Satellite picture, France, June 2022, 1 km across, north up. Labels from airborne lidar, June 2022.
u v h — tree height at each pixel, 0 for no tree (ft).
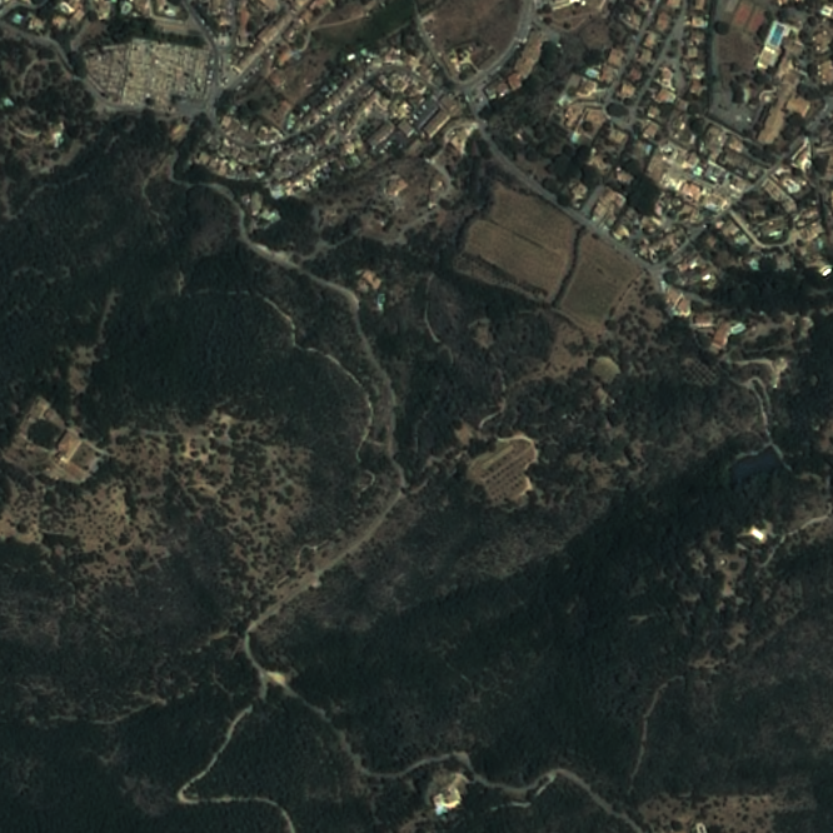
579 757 28
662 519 40
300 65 0
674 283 37
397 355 20
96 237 21
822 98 35
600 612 50
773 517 25
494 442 30
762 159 40
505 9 0
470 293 19
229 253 22
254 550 18
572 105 0
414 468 22
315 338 22
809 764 20
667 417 40
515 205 0
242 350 28
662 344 25
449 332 29
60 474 0
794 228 21
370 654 22
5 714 23
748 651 31
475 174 24
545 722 31
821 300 38
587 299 0
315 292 27
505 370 24
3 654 26
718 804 21
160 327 38
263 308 22
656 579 24
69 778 22
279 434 21
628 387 55
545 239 0
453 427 32
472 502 22
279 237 25
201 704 30
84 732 20
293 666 19
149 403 26
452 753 20
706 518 36
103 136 21
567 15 0
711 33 19
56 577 21
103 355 44
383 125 0
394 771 21
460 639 23
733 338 32
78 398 22
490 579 20
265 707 26
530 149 33
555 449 33
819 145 26
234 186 30
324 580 22
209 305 21
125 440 25
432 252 22
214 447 26
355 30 0
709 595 63
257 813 37
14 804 26
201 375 26
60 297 25
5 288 21
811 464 32
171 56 0
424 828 23
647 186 45
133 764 19
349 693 30
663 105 24
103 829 32
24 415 34
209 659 21
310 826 27
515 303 33
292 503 23
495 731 20
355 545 0
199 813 21
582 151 43
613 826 21
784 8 24
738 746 19
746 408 24
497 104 38
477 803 38
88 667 21
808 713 22
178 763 33
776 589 21
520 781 30
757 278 31
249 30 20
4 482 35
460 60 19
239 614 18
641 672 26
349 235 46
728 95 0
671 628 31
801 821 21
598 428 32
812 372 46
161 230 21
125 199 19
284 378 19
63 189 27
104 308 31
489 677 27
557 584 59
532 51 0
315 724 30
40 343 44
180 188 30
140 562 22
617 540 32
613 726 31
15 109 30
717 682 38
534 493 19
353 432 0
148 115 31
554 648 24
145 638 27
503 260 0
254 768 28
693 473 28
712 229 41
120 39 23
